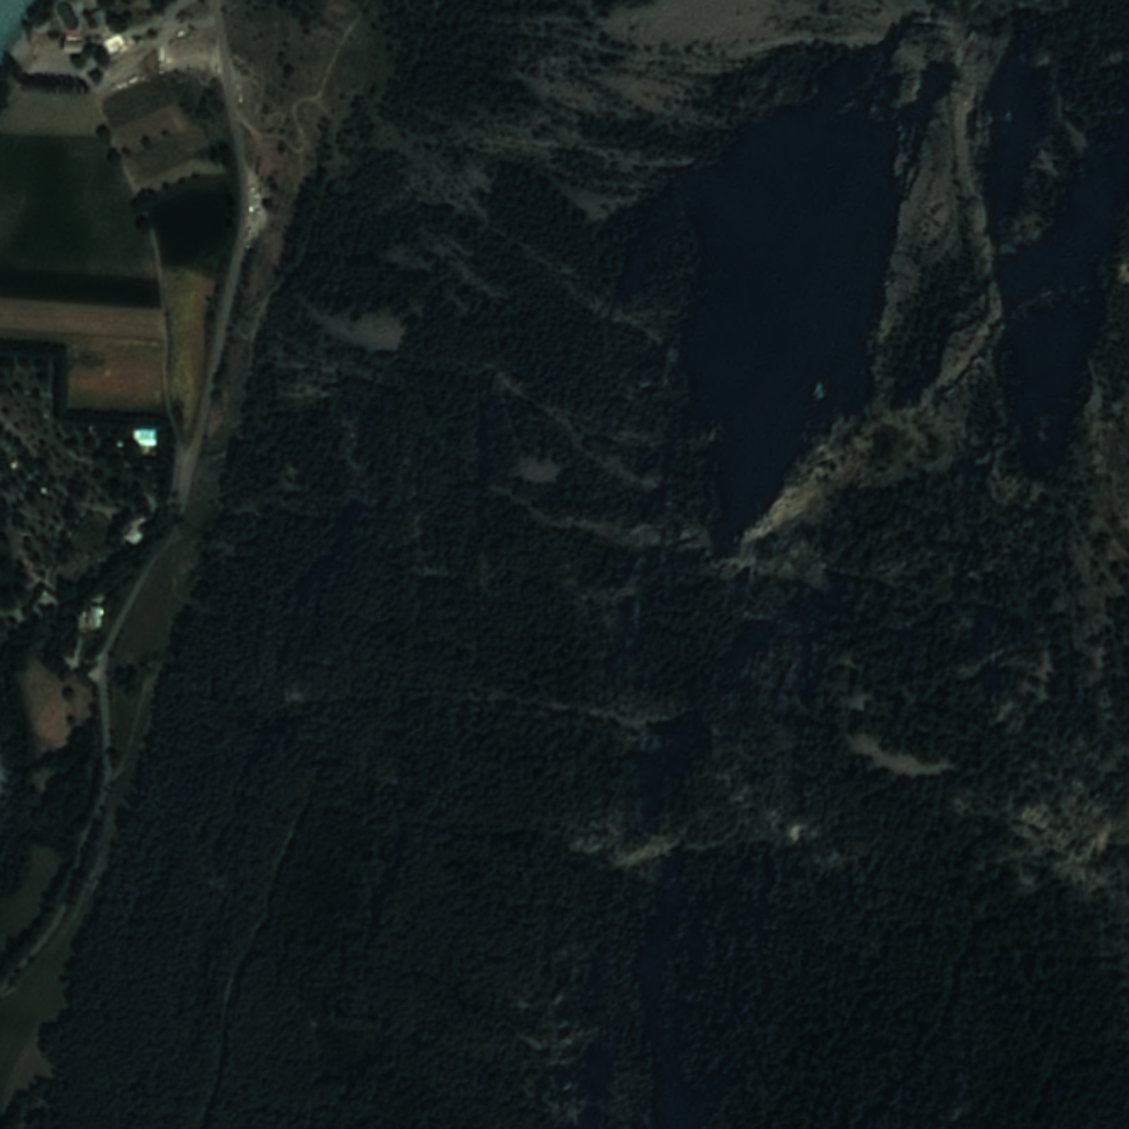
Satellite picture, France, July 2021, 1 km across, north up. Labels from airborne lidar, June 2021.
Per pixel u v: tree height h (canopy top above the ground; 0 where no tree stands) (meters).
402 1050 14
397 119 7
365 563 14
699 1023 15
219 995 8
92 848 15
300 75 0
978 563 8
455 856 11
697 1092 7
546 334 9
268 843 12
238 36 0
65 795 17
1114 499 0
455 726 14
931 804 13
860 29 0
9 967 10
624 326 8
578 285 7
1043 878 10
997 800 10
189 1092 13
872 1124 24
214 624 16
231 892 7
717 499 8
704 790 8
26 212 0
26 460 15
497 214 11
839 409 11
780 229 6
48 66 0
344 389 6
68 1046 14
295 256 9
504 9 11
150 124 0
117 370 0
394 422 12
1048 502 12
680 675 13
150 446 0
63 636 7
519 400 8
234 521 13
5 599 19
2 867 15
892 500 9
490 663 11
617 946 10
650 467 6
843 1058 18
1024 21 7
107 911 14
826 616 6
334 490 13
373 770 6
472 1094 10
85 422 14
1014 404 10
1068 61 8
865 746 0
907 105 0
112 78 0
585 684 6
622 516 10
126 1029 15
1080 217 15
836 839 7
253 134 0
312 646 7
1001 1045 19
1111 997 9
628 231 17
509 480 9
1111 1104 16
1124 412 7
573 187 9
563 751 13
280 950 14
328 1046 6
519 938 17
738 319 7
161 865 8
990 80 0
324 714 17
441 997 13
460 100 9
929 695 13
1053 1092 19
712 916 9
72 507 8
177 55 0
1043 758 11
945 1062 17
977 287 11
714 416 7
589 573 9
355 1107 19
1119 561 12
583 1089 8
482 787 12
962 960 7
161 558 0
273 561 11
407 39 6
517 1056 11
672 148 9
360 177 8
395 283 14
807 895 20
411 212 8
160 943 13
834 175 11
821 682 11
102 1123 11
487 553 6
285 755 13
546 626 13
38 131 0
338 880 7
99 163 0
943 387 8
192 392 0
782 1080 24
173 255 0
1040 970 21
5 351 15
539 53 6
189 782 10
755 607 7
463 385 11
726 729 7
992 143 0
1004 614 8
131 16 9
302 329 7
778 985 19
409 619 12
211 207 0
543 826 16
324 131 9
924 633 11
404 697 10
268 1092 15
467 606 11
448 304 18
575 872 13
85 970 17
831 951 27
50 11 7
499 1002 7
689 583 7
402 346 7
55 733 0
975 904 21
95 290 0
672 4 0
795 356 9
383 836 8
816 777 13
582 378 11
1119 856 6
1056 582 8
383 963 11
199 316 0
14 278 0
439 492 6
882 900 19
